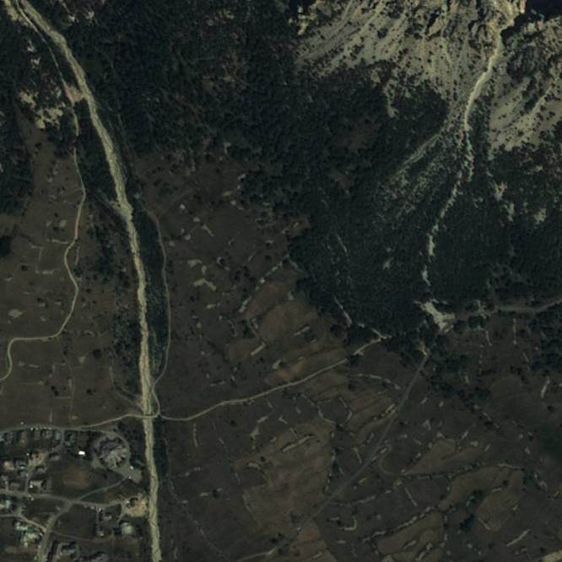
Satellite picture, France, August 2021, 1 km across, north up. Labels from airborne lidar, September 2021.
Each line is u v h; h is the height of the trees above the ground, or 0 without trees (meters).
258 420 0
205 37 6
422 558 0
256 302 0
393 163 8
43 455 0
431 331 12
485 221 12
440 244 11
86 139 15
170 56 10
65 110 9
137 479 0
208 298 0
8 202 7
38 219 0
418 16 8
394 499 0
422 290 14
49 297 0
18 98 7
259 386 0
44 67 13
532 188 6
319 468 0
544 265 13
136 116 18
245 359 0
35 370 0
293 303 0
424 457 0
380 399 0
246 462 0
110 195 7
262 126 18
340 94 10
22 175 21
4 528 0
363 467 0
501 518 0
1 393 0
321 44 0
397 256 8
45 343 0
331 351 0
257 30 7
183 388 0
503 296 14
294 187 11
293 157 15
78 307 0
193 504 0
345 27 0
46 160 0
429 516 0
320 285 8
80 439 0
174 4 18
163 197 0
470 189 14
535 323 10
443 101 9
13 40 10
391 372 0
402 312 13
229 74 12
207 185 0
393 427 0
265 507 0
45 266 0
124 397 0
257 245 0
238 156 19
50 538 0
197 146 21
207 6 15
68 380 0
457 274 13
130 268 0
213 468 0
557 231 15
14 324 0
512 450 0
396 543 0
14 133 20
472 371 0
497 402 0
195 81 7
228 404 0
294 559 0
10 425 0
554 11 8
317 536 0
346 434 0
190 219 0
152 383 0
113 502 0
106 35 20
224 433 0
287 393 0
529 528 0
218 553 0
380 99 12
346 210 9
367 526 0
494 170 9
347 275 9
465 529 18
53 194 0
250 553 0
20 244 0
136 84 19
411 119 10
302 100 16
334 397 0
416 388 0
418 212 9
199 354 0
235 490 0
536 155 9
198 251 0
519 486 0
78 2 12
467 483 0
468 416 0
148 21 31
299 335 0
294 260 9
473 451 0
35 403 0
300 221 0
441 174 7
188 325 0
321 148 13
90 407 0
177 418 0
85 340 0
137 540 0
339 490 0
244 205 11
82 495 0
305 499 0
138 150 8
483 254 11
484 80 0
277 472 0
